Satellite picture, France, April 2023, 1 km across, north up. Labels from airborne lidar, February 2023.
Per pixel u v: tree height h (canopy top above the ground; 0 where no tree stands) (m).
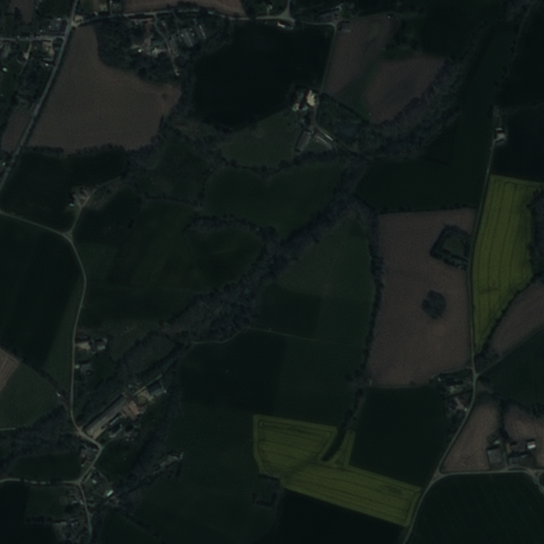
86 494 12
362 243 0
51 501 0
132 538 0
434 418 0
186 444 0
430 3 0
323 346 0
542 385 0
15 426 0
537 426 0
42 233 0
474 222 0
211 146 16
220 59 0
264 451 0
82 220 0
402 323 0
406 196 0
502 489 0
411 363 0
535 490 0
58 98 0
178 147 0
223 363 0
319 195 0
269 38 0
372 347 12
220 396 0
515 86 0
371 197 0
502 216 0
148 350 25
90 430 0
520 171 0
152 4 0
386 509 0
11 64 0
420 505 0
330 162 19
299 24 15
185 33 0
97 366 0
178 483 0
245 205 0
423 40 0
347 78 0
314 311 0
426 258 0
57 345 0
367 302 0
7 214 0
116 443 0
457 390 0
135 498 13
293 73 0
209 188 0
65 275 0
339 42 0
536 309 0
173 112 11
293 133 0
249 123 0
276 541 0
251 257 0
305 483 0
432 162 0
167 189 0
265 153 0
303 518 0
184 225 0
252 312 24
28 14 0
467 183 0
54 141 0
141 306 0
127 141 0
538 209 17
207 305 26
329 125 16
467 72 0
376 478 0
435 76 0
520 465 0
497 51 0
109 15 6
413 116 18
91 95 0
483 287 0
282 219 0
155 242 0
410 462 0
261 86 0
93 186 7
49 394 0
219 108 0
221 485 0
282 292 0
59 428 16
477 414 0
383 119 0
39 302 0
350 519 0
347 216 20
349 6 9
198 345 0
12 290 0
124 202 0
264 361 0
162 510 0
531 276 0
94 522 7
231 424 0
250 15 15
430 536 0
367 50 0
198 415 0
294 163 11
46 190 0
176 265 0
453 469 0
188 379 0
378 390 0
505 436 19
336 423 0
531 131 0
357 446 0
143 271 0
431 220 0
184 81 14
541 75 0
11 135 0
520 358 0
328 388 0
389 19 0
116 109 0
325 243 0
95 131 0
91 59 0
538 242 16
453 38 0
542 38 0
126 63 15
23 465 0
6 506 0
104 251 0
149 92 0
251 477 0
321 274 0
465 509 0
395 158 17
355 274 0
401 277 0
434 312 12
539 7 0
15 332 0
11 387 0
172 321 13
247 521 0
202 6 0
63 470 0
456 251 0
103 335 0
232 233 0
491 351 14
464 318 0
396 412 0
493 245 0
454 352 0
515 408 13
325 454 0
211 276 0
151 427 0
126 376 18
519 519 0
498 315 0
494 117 14
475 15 0
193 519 0
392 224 0
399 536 0
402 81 0
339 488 0
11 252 0
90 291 0
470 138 0
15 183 0
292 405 0
